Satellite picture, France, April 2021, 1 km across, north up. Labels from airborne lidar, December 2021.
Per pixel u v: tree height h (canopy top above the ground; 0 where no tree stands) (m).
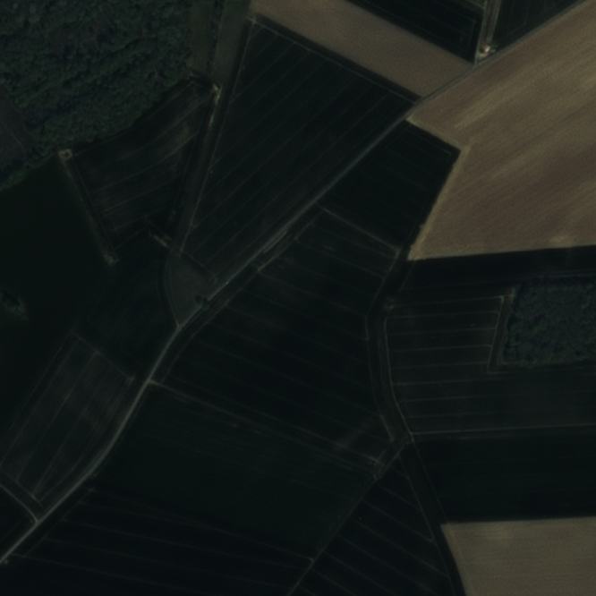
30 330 0
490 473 0
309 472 0
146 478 0
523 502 0
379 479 0
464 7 0
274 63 0
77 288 0
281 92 0
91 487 0
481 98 0
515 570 0
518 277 0
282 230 0
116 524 0
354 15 0
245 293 0
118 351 0
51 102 12
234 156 0
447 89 0
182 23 26
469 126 0
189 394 0
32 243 0
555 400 0
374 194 0
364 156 0
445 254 0
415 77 0
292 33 0
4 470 0
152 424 0
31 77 23
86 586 0
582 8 0
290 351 0
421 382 0
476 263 0
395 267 0
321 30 0
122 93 25
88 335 0
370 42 0
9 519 0
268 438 0
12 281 0
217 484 0
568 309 24
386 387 0
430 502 0
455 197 0
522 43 0
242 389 0
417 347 0
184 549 0
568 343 24
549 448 0
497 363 0
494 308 0
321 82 0
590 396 0
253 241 0
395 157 0
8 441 0
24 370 0
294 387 0
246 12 0
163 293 0
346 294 0
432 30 0
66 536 0
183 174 0
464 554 0
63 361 0
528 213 0
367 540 0
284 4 0
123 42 23
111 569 0
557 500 0
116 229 0
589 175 0
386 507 0
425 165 0
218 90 0
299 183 0
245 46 0
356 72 0
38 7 25
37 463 0
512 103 0
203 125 0
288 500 0
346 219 0
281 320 0
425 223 0
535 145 0
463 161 0
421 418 0
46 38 20
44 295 0
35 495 0
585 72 0
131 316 0
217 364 0
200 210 0
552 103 0
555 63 0
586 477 0
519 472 0
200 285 0
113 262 0
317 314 0
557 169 0
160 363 0
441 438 0
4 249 0
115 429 0
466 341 0
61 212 0
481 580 0
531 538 0
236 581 0
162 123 0
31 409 0
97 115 25
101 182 0
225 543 0
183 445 0
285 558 0
